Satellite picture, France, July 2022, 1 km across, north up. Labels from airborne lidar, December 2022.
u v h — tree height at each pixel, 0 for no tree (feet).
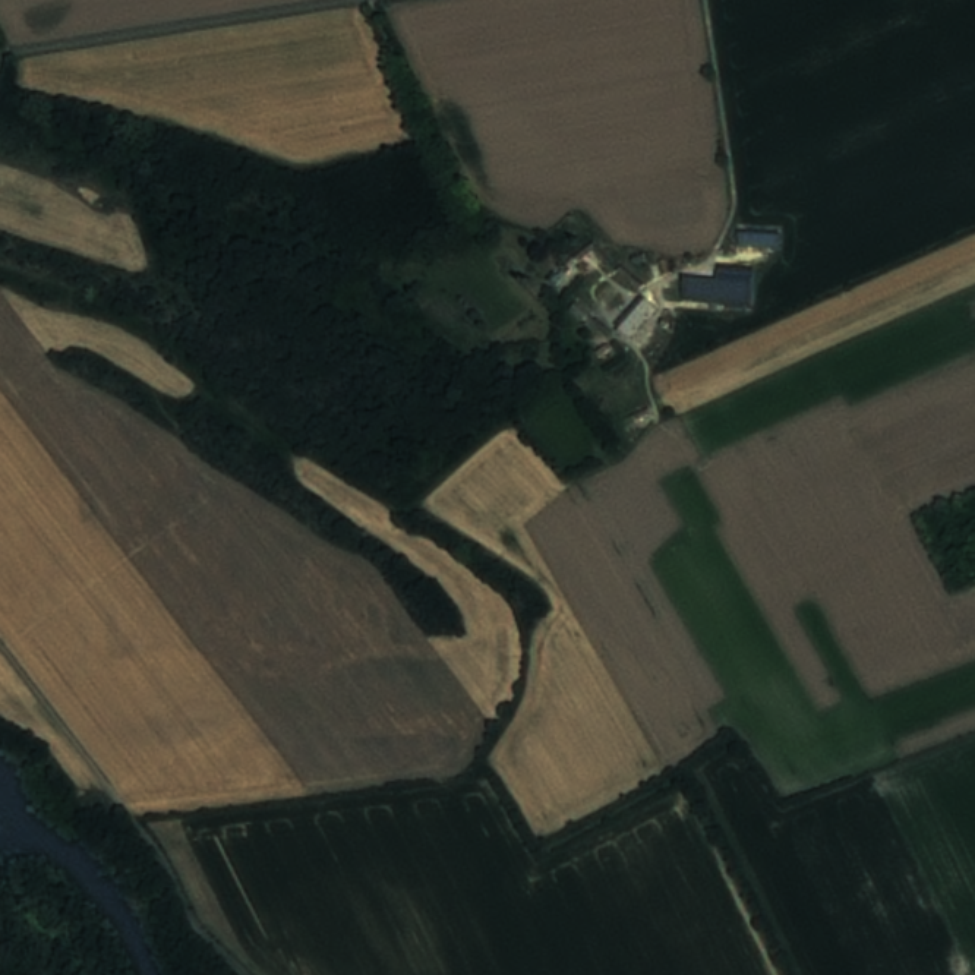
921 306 0
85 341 0
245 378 48
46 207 0
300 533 0
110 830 43
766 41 0
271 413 43
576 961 0
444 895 0
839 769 0
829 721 0
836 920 0
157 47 0
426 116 73
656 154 0
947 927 0
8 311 0
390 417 78
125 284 51
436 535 34
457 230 94
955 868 0
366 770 0
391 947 0
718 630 0
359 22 0
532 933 0
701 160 0
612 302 0
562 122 0
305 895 0
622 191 0
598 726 0
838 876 0
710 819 45
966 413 0
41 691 0
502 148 0
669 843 0
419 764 0
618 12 0
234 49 0
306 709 0
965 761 0
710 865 0
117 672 0
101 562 0
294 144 0
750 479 0
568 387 38
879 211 0
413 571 29
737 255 0
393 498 36
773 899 0
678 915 0
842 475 0
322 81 0
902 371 0
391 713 0
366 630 0
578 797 0
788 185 0
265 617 0
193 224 23
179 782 0
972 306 0
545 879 0
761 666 0
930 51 0
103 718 0
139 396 29
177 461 0
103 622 0
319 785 0
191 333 56
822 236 0
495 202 0
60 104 42
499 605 0
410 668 0
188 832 0
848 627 0
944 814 0
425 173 60
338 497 0
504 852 0
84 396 0
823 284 0
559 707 0
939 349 0
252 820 0
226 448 31
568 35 0
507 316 0
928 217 0
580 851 0
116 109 31
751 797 0
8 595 0
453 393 74
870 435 0
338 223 57
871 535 0
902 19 0
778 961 37
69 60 0
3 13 0
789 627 0
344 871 0
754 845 0
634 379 0
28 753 51
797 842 0
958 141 0
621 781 0
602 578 0
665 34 0
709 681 0
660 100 0
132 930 0
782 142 0
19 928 93
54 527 0
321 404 67
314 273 68
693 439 0
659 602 0
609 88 0
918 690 0
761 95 0
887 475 0
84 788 0
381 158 39
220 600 0
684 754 0
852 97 0
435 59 0
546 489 0
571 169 0
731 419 0
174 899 42
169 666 0
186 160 61
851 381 0
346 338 46
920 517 37
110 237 0
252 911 0
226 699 0
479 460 0
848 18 0
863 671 0
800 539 0
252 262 81
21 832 0
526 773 0
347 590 0
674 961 0
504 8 0
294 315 51
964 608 0
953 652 0
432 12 0
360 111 0
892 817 0
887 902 0
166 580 0
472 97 0
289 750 0
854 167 0
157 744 0
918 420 0
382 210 60
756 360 0
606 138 0
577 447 0
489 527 0
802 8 0
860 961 0
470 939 0
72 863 0
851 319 0
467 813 0
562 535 0
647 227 0
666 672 0
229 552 0
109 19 0
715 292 0
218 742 0
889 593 0
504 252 0
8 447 0
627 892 0
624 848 0
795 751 0
